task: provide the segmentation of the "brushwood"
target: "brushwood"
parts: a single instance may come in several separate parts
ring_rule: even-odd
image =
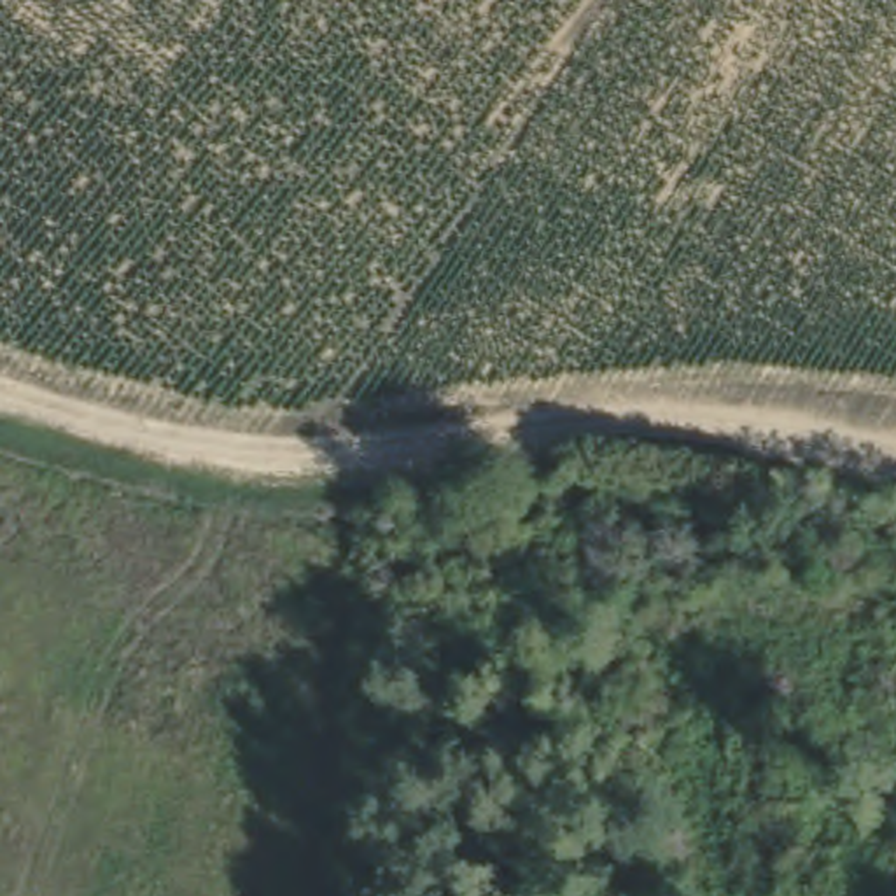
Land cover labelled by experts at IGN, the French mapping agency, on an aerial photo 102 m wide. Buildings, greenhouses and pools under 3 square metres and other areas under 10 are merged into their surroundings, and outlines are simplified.
[[[770,480],[777,501],[770,508],[753,515],[739,511],[732,532],[714,539],[686,539],[676,532],[662,532],[655,553],[644,546],[644,532],[634,525],[623,536],[616,588],[606,602],[592,609],[588,630],[546,637],[539,620],[518,627],[518,662],[532,672],[532,693],[560,686],[564,693],[581,697],[588,704],[585,718],[606,725],[606,735],[613,739],[609,746],[616,753],[637,760],[651,781],[676,788],[693,805],[697,830],[690,830],[693,851],[679,858],[679,896],[896,896],[896,490],[875,494],[872,480],[861,469],[844,466],[833,473],[833,480],[819,469],[809,476],[795,469],[774,469]]]

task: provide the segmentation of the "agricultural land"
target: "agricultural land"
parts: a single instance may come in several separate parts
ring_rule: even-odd
[[[333,473],[329,480],[235,480],[224,469],[168,466],[130,448],[98,445],[60,427],[0,413],[0,896],[336,896],[343,879],[368,858],[354,837],[336,840],[326,830],[326,823],[343,809],[347,798],[333,784],[333,767],[340,767],[343,760],[357,760],[357,753],[364,749],[347,735],[350,700],[364,690],[375,665],[375,651],[389,641],[392,620],[389,602],[371,595],[361,581],[333,574],[326,564],[333,550],[340,557],[350,557],[354,550],[350,511],[375,504],[378,497],[382,501],[389,487],[375,469],[347,469]]]

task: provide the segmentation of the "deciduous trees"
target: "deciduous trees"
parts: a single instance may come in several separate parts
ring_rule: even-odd
[[[473,553],[497,557],[515,546],[525,546],[529,539],[543,539],[560,522],[560,515],[543,515],[529,525],[522,522],[536,497],[564,497],[571,487],[585,487],[641,501],[648,494],[690,487],[700,480],[707,476],[707,459],[697,452],[578,438],[557,445],[560,469],[550,480],[532,480],[529,466],[522,462],[522,445],[511,434],[508,441],[494,445],[487,462],[459,487],[420,490],[417,497],[406,483],[389,487],[382,501],[385,515],[378,518],[378,529],[396,529],[389,553],[396,560],[403,560],[406,553],[434,557],[455,546],[459,539],[473,546]]]

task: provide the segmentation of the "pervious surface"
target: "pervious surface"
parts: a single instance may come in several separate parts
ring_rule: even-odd
[[[116,406],[56,396],[39,385],[0,375],[0,413],[60,427],[98,445],[130,448],[168,466],[224,469],[235,480],[329,480],[333,473],[347,469],[375,469],[389,487],[406,483],[417,497],[420,490],[459,487],[487,462],[494,445],[483,431],[473,431],[462,406],[445,406],[434,389],[410,382],[385,382],[368,399],[350,403],[343,417],[326,413],[319,424],[301,424],[298,438],[277,438],[137,417]]]
[[[795,469],[809,476],[819,469],[833,480],[833,473],[844,466],[861,469],[872,480],[875,494],[896,490],[896,431],[865,427],[844,417],[823,417],[788,406],[725,406],[665,396],[620,396],[609,413],[532,403],[518,417],[511,434],[522,445],[522,462],[529,466],[532,480],[550,480],[560,469],[557,445],[578,438],[697,452],[707,459],[707,476],[700,480],[704,487],[721,490],[732,483],[732,476],[749,476],[760,501],[770,508],[777,501],[770,480],[774,469]]]

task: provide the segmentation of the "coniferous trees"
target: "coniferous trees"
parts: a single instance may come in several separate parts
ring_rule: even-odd
[[[396,560],[389,553],[396,529],[378,529],[378,518],[385,515],[382,501],[378,497],[375,504],[350,511],[354,550],[350,557],[340,557],[333,550],[326,564],[333,574],[361,581],[371,595],[389,602],[392,620],[389,641],[375,651],[375,665],[364,690],[350,700],[347,735],[364,749],[357,753],[357,760],[343,760],[340,767],[333,767],[333,784],[347,798],[343,809],[326,823],[326,830],[336,840],[354,837],[368,858],[343,879],[336,896],[679,896],[679,858],[693,851],[690,830],[697,830],[693,805],[676,788],[651,781],[637,760],[616,753],[609,746],[613,739],[606,735],[606,725],[585,718],[588,704],[581,697],[564,693],[560,686],[532,693],[532,672],[518,662],[518,627],[539,620],[546,637],[588,630],[592,609],[606,602],[616,588],[623,536],[634,525],[644,532],[644,546],[655,553],[662,532],[676,532],[686,539],[714,539],[732,532],[739,511],[753,515],[770,508],[760,501],[749,476],[732,476],[732,483],[721,490],[704,487],[700,480],[690,487],[648,494],[641,501],[585,487],[571,487],[564,497],[536,497],[522,522],[529,525],[543,515],[560,515],[560,522],[543,539],[529,539],[525,546],[515,546],[497,557],[473,553],[473,546],[459,539],[455,546],[434,557],[406,553],[403,560]]]

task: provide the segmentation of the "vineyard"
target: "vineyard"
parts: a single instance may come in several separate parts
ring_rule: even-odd
[[[116,406],[137,417],[277,438],[298,438],[301,424],[319,424],[326,413],[343,417],[350,403],[368,399],[385,382],[410,382],[434,389],[445,406],[462,406],[473,431],[483,431],[494,445],[508,441],[511,434],[518,417],[532,403],[609,413],[620,396],[665,396],[725,406],[788,406],[823,417],[844,417],[865,427],[896,431],[896,0],[0,0],[0,375],[39,385],[56,396]]]

